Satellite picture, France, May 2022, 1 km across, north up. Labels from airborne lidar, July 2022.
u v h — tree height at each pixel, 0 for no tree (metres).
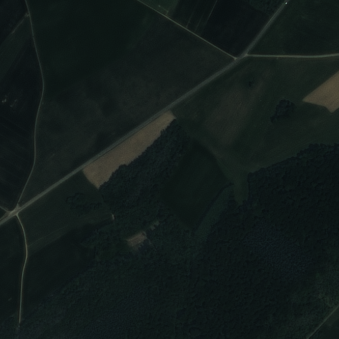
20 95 0
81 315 15
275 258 19
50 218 0
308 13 0
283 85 0
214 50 0
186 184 0
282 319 24
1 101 0
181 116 0
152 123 0
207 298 28
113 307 14
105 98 0
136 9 0
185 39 0
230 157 0
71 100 0
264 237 23
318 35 0
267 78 0
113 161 0
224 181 0
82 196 12
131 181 23
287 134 0
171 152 17
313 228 28
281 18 0
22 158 0
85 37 0
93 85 0
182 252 20
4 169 0
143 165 24
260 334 28
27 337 20
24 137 0
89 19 0
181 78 0
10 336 14
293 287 24
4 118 0
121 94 0
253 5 14
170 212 12
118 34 0
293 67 0
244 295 26
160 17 0
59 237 0
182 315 34
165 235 26
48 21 0
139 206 23
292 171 30
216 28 0
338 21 0
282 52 0
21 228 0
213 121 0
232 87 0
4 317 0
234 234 25
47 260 0
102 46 0
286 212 30
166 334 9
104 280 16
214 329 27
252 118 0
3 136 0
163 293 23
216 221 20
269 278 26
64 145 0
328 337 0
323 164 32
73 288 7
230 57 0
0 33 0
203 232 22
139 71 0
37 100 0
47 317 18
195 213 0
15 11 0
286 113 23
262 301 27
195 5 0
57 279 0
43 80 0
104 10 0
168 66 0
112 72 0
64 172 0
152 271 25
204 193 0
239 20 0
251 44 0
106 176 0
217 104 0
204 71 0
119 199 19
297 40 0
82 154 0
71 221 0
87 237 10
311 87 0
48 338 13
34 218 0
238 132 0
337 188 31
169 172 20
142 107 0
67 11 0
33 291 0
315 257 27
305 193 29
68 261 0
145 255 26
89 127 0
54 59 0
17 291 0
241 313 28
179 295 25
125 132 0
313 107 0
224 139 0
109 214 0
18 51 0
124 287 16
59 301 20
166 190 0
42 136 0
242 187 0
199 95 0
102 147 0
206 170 0
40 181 0
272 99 0
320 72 0
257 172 9
